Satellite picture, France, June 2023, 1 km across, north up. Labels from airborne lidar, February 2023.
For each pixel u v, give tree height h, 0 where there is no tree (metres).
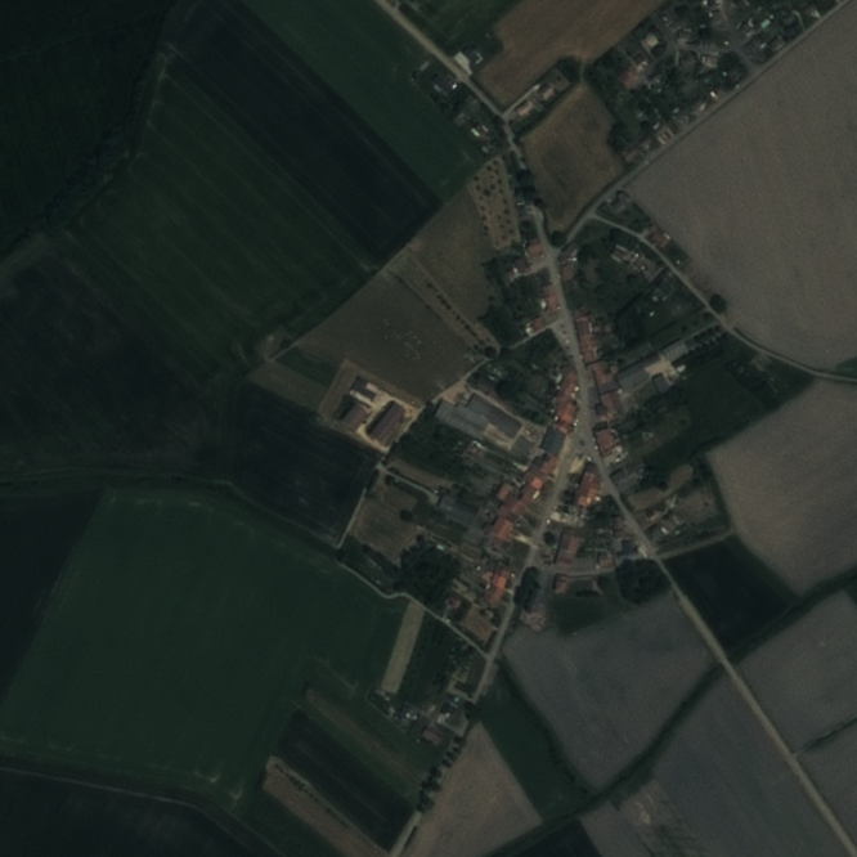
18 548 0
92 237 0
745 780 0
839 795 0
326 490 0
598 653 0
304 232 0
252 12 0
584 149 0
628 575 17
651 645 0
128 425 0
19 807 0
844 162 0
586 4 0
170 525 0
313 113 0
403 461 0
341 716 0
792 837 0
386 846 0
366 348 0
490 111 6
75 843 0
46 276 0
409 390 0
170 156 0
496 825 0
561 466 0
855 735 0
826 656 0
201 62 0
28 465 0
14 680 0
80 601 0
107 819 0
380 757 0
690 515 0
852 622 0
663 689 0
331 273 0
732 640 0
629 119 0
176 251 0
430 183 0
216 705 0
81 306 0
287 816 0
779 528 0
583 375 0
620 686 0
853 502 0
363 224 0
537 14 0
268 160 0
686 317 0
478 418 0
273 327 0
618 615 0
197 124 0
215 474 0
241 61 0
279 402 0
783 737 0
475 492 0
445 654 0
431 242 0
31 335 0
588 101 0
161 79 0
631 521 0
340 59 0
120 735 0
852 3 0
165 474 0
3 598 0
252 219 0
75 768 0
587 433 0
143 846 0
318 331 0
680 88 6
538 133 0
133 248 0
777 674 0
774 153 0
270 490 0
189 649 0
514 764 0
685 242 0
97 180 23
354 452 0
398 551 0
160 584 0
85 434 0
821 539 0
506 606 0
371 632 0
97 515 0
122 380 0
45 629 0
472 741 0
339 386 0
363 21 0
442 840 0
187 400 0
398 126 0
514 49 0
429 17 0
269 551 0
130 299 0
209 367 0
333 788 0
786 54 0
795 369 0
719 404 0
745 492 0
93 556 0
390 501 0
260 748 0
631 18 0
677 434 0
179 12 0
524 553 0
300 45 0
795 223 0
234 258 0
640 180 0
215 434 0
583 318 0
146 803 0
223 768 0
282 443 0
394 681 0
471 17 0
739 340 0
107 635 0
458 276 0
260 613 0
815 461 0
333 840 0
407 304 0
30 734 0
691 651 0
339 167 0
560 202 0
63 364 0
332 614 0
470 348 0
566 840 0
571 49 0
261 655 0
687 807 0
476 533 0
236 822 0
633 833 0
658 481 14
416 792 0
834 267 0
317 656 0
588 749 0
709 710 0
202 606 0
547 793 0
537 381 0
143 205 0
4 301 0
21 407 0
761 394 8
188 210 0
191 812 0
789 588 0
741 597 0
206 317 0
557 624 0
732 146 0
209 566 0
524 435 0
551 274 0
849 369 0
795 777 0
